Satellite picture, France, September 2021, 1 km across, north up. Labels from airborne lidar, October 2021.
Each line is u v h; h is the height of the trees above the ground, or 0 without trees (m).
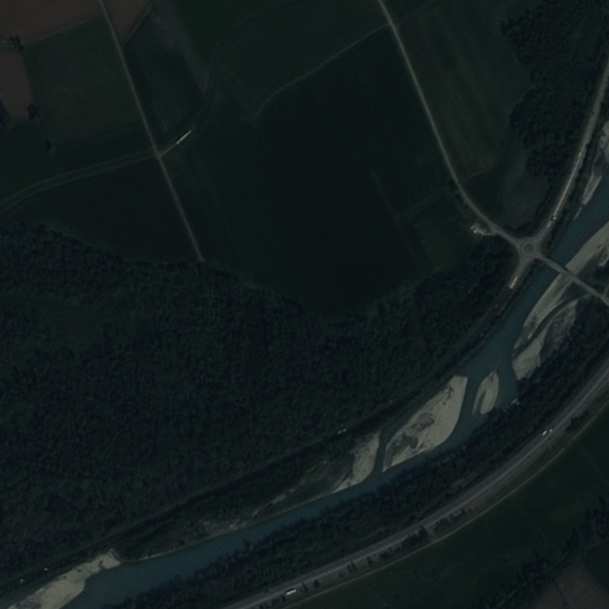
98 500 21
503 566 0
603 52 26
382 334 29
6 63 0
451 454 8
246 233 0
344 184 0
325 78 0
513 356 0
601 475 0
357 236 0
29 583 10
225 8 0
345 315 0
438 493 19
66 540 19
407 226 0
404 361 22
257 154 0
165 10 0
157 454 23
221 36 0
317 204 0
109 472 17
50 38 0
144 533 10
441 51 0
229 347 9
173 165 0
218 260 0
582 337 19
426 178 0
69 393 21
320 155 0
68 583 0
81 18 0
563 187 0
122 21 0
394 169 0
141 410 23
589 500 0
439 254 0
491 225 0
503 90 0
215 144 0
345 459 0
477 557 0
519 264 0
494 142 0
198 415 31
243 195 0
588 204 0
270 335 19
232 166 0
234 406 23
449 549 0
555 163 9
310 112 0
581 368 17
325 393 24
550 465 0
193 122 0
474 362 0
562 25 7
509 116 0
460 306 26
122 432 21
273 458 17
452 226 0
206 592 28
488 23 0
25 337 23
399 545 0
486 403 0
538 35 10
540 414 12
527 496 0
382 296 0
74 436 17
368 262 0
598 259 0
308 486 0
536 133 23
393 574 0
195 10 0
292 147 0
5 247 26
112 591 0
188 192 0
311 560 9
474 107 0
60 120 0
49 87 0
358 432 10
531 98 10
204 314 24
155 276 16
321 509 0
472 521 0
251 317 9
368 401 19
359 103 0
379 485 0
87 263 22
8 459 15
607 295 0
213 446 25
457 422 0
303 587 0
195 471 19
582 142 0
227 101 0
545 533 0
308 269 0
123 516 17
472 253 0
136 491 25
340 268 0
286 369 20
